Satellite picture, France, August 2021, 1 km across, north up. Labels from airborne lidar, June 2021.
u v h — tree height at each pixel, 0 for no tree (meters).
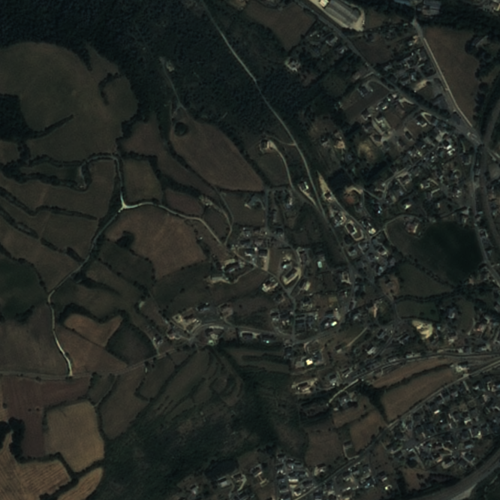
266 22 0
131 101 0
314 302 0
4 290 0
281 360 7
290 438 0
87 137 0
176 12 8
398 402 0
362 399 0
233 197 0
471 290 6
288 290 0
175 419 6
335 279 6
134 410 0
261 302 0
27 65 0
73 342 0
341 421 0
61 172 0
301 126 10
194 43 6
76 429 0
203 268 0
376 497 0
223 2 7
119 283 0
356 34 8
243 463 0
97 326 0
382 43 0
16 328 0
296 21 0
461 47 0
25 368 0
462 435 6
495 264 0
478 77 14
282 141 0
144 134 0
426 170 7
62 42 9
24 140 9
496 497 0
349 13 0
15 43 6
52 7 10
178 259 0
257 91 7
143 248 0
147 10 8
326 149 0
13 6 9
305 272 0
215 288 0
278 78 8
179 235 0
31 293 0
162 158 0
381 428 6
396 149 0
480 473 0
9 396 0
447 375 0
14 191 0
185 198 0
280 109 7
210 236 0
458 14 13
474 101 0
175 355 0
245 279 0
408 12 21
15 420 13
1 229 0
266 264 0
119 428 0
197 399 0
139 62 9
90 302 0
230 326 0
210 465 7
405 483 8
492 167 0
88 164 7
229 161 0
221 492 0
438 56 0
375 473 0
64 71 0
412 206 0
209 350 6
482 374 5
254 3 0
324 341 0
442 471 0
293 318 9
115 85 0
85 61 6
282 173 0
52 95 0
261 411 6
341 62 11
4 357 0
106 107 0
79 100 0
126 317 8
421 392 0
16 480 0
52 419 0
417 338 7
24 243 0
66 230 0
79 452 0
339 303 0
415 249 0
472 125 0
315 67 15
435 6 0
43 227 0
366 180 15
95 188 0
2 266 0
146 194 0
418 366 0
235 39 6
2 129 13
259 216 0
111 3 9
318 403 9
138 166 0
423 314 6
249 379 8
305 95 9
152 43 8
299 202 5
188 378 0
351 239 13
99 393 0
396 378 0
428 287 0
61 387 0
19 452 9
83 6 13
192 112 6
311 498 0
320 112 0
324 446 0
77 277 11
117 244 8
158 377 0
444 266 0
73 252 11
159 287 0
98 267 0
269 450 18
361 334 0
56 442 0
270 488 0
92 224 0
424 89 0
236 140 11
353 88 10
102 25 7
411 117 0
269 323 0
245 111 10
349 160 0
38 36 9
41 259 0
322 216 0
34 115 0
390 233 0
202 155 0
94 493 12
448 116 16
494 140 6
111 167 0
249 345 6
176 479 16
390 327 0
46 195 0
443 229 0
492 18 9
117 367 0
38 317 0
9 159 0
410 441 0
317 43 0
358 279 7
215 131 0
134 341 0
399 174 0
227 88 11
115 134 0
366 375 0
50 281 0
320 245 6
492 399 7
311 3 0
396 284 0
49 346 0
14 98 9
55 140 0
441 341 10
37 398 0
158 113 10
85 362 0
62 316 9
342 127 11
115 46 13
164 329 0
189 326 0
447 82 0
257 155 0
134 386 0
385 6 23
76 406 0
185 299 0
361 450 7
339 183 13
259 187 0
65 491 10
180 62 7
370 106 0
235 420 8
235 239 0
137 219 0
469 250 0
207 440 7
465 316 0
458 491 0
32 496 0
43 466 0
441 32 0
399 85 10
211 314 0
